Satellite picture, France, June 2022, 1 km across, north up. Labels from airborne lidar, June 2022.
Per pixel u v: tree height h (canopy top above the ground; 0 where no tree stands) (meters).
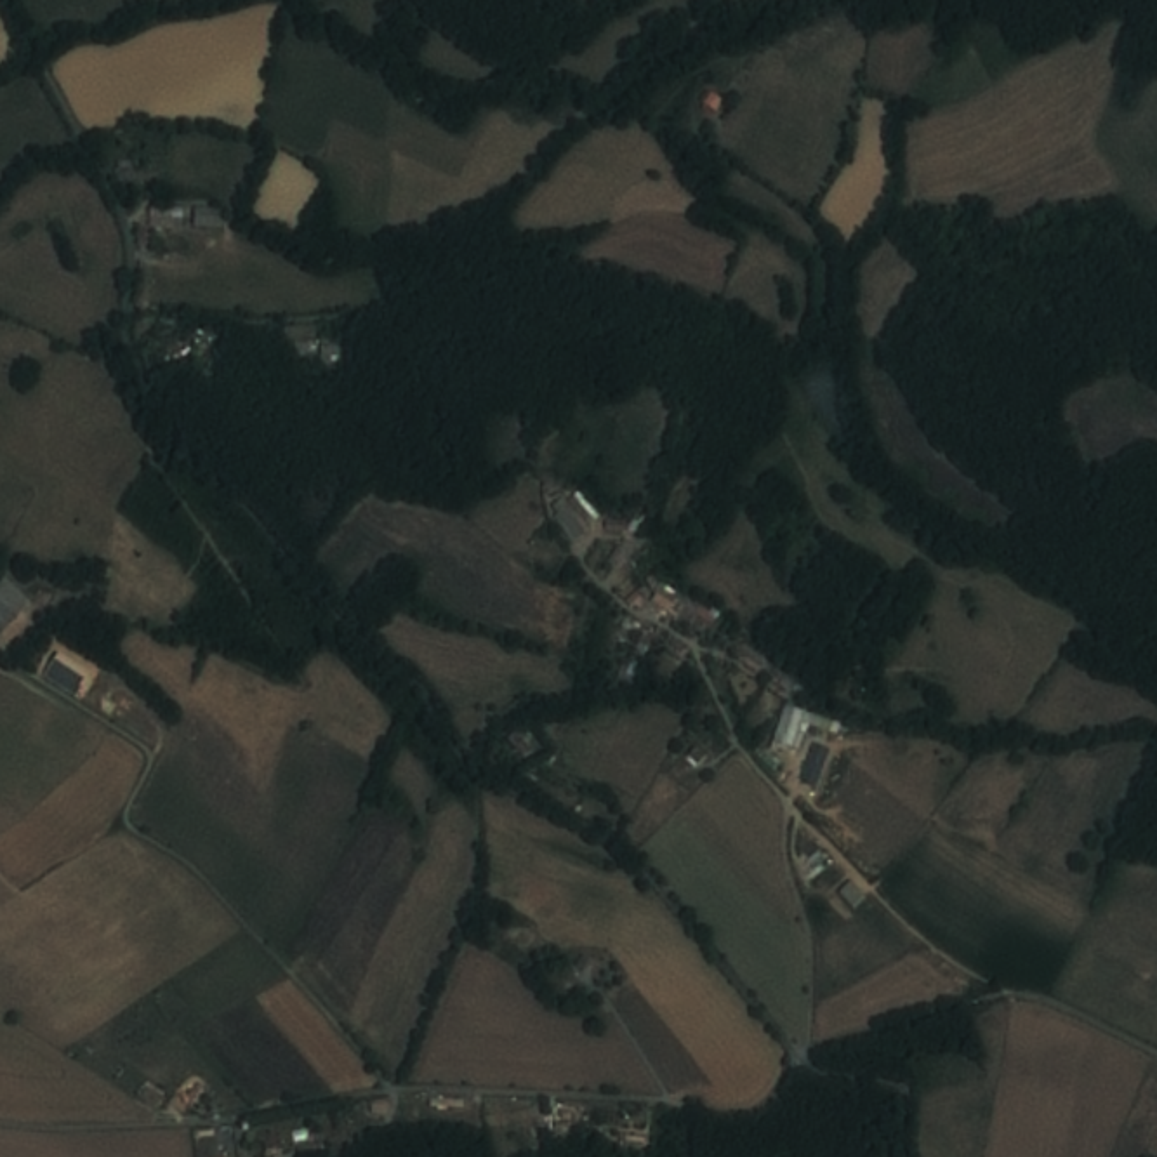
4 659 14
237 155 0
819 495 0
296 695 0
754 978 0
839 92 0
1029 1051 0
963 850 0
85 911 0
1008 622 0
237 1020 0
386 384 23
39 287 0
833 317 18
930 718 16
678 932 0
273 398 19
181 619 13
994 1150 0
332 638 18
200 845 0
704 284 0
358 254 21
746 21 16
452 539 0
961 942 0
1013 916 0
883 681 16
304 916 0
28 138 0
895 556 0
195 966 0
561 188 0
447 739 14
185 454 18
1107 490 20
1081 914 0
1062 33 22
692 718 12
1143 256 21
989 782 0
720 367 17
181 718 9
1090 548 19
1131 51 15
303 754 0
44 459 0
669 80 26
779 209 0
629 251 0
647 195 0
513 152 0
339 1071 0
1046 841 0
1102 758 0
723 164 14
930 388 16
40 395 0
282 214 0
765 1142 14
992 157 0
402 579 18
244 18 0
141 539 0
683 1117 10
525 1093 0
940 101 0
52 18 0
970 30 18
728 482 17
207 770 0
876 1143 23
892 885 0
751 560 0
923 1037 21
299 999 0
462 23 19
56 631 13
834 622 23
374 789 16
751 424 16
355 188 0
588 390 19
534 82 24
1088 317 18
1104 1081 0
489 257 23
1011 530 15
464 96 18
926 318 10
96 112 0
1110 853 18
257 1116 15
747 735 10
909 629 18
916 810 0
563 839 0
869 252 13
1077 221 17
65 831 0
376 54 22
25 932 0
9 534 0
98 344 16
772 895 0
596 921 0
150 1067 0
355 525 0
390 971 0
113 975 0
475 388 15
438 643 0
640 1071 0
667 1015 0
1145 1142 0
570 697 11
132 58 0
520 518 0
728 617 10
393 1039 0
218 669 0
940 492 0
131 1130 0
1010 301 19
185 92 0
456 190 0
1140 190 0
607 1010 0
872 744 0
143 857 0
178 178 0
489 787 16
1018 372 16
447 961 10
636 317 24
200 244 0
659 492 14
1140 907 0
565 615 0
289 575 22
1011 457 13
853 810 0
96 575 22
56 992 0
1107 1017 0
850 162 13
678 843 0
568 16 18
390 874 0
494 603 0
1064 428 17
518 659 0
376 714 0
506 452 0
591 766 0
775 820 0
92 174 18
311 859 0
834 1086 15
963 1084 0
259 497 16
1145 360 20
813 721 0
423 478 21
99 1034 0
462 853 0
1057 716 0
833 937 0
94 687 0
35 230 0
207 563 7
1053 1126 0
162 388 18
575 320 24
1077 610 17
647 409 0
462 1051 0
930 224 17
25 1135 0
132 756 0
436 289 27
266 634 7
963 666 0
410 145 0
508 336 19
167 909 0
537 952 9
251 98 0
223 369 16
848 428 11
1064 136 0
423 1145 13
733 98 15
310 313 0
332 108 0
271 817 0
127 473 0
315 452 12
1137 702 0
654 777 0
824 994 0
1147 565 12
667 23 22
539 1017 0
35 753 0
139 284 13
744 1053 0
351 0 0
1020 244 16
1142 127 0
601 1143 14
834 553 22
